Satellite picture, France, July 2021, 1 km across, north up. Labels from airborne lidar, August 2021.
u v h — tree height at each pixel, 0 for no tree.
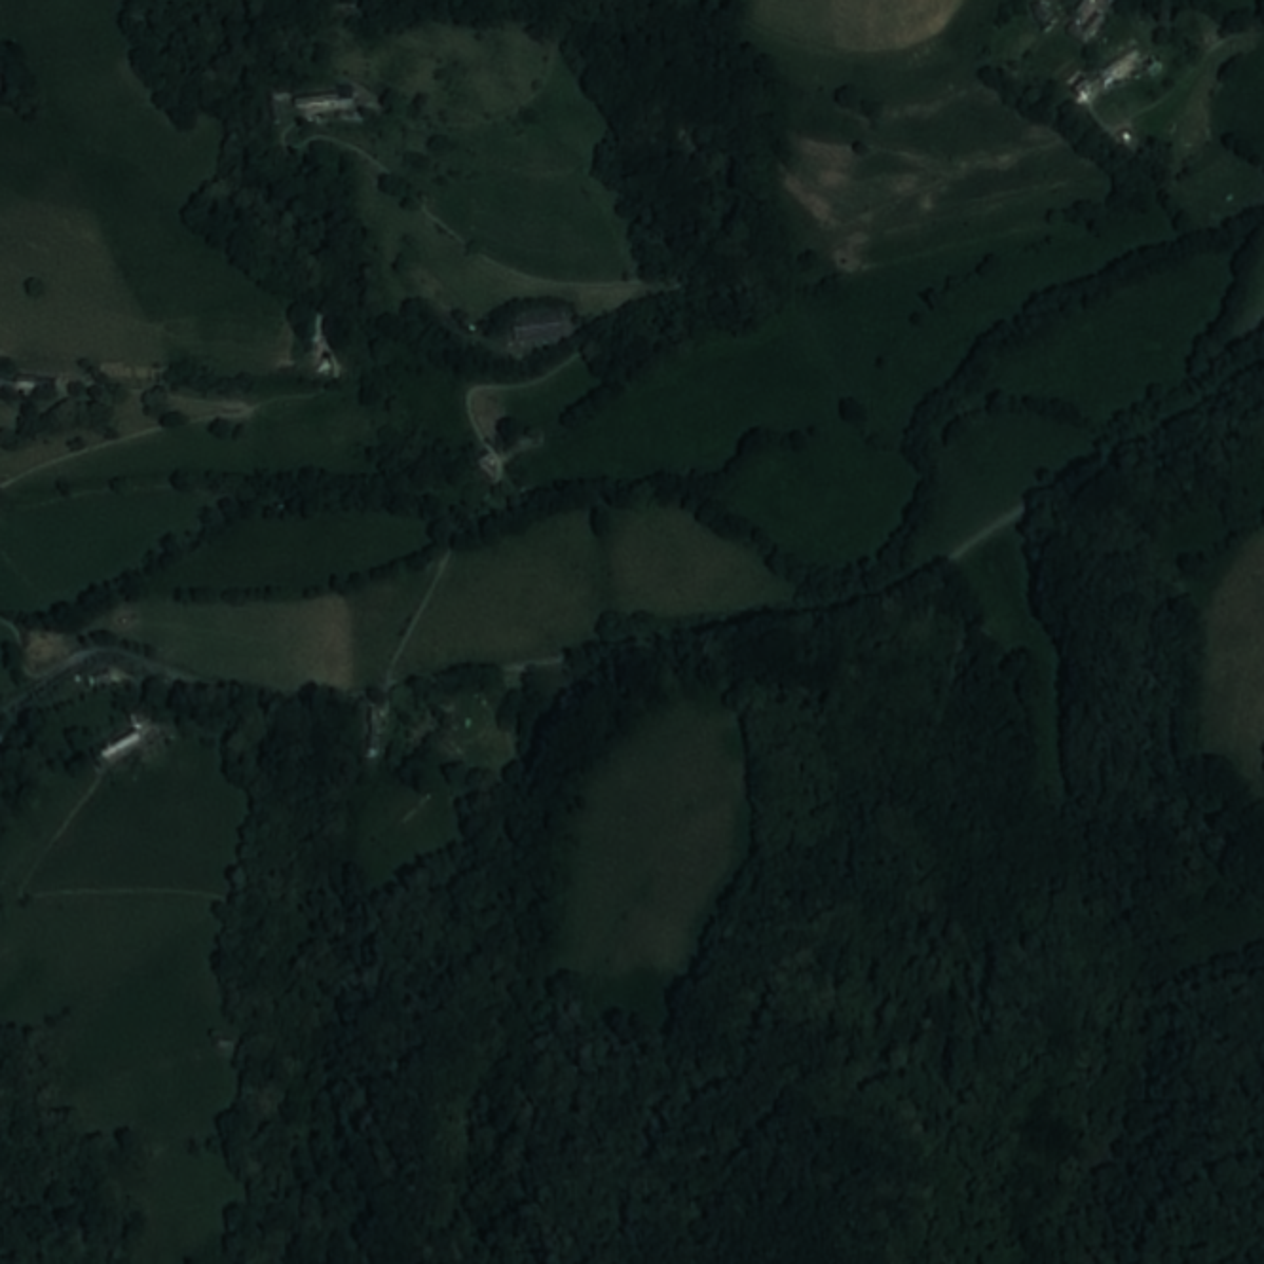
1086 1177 22
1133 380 0
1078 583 22
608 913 0
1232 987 21
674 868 0
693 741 0
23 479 0
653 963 0
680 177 35
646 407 0
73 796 0
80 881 0
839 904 29
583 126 0
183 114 23
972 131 0
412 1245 26
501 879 25
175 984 0
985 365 19
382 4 13
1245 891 17
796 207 0
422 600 0
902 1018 17
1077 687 29
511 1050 30
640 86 30
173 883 0
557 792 23
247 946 22
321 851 33
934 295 15
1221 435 21
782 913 21
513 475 8
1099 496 32
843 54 0
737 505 0
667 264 26
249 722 22
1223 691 0
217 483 11
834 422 0
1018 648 0
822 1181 21
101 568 0
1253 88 0
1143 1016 22
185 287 0
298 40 15
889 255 0
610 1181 25
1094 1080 18
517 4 17
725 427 0
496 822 25
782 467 0
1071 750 19
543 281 0
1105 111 0
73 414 21
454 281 0
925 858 23
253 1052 22
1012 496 0
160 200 0
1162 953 17
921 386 0
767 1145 25
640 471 0
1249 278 18
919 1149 27
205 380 16
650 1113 25
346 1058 31
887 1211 24
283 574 0
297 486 23
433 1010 25
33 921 0
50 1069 18
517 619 0
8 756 22
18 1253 22
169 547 20
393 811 0
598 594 0
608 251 0
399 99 13
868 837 26
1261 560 0
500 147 0
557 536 0
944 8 0
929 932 27
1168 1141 24
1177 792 25
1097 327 0
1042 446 0
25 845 0
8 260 0
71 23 0
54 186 0
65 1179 14
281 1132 29
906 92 0
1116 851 28
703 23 36
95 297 0
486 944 26
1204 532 0
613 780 0
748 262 23
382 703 14
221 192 26
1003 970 27
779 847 21
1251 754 0
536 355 7
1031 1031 22
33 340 0
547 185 0
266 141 25
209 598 12
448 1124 28
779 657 29
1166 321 0
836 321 0
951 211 0
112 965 0
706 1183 15
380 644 0
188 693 29
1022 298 0
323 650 0
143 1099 0
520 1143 30
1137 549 19
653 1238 27
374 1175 32
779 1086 20
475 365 13
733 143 28
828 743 22
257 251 22
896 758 20
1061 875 16
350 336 18
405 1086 26
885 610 23
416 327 11
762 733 19
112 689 6
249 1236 23
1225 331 19
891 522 0
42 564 0
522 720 14
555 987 16
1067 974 20
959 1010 33
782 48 0
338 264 28
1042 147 0
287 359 0
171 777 0
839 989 8
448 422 0
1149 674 18
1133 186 22
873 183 0
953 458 0
